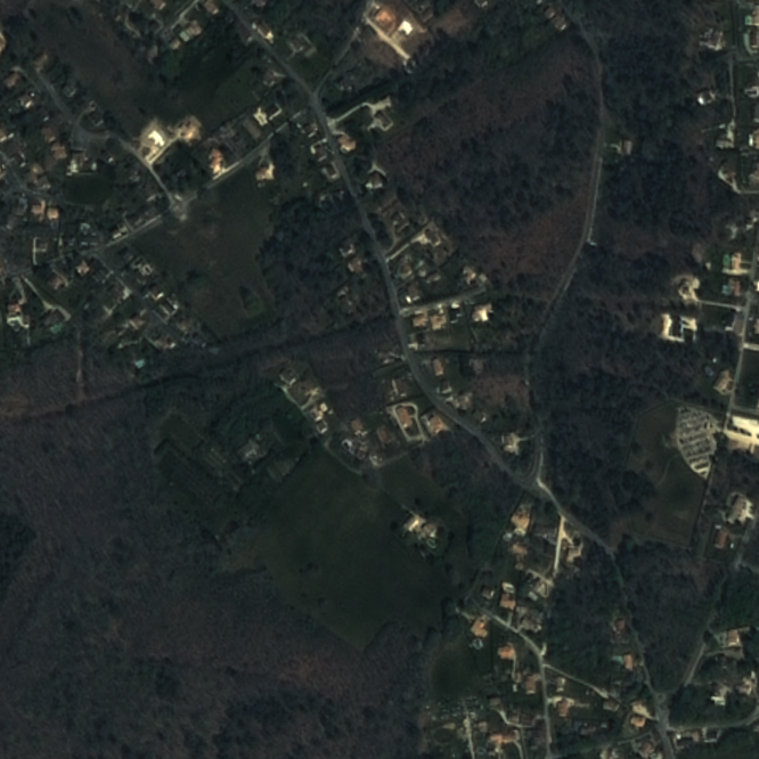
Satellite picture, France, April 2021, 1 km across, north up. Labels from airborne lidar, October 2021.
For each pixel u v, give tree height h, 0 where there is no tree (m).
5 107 7
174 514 12
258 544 0
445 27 0
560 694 0
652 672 17
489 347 14
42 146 0
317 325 7
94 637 16
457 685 0
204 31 5
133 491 19
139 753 22
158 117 0
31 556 10
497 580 16
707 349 16
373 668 11
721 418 10
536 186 11
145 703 13
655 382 10
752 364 0
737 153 7
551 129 15
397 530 13
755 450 0
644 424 0
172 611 11
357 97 9
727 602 16
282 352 15
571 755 18
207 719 22
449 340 0
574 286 14
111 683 18
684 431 0
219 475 7
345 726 15
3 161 0
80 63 0
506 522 15
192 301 10
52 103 11
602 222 10
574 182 18
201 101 0
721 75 22
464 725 0
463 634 15
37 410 11
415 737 26
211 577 15
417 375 0
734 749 13
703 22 14
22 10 12
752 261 0
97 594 16
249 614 10
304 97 0
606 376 9
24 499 13
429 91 23
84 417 15
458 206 13
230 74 0
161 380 9
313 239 19
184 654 7
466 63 25
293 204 8
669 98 31
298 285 11
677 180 8
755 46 0
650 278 17
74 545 15
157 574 18
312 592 0
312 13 16
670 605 18
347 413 9
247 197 0
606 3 32
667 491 0
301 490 0
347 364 7
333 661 8
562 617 22
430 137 8
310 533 0
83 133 0
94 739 14
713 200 8
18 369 14
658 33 17
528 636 7
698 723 13
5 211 15
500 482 15
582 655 16
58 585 15
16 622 9
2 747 14
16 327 6
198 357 15
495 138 20
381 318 6
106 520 14
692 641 16
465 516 11
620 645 15
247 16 13
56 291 9
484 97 5
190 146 0
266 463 7
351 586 0
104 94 0
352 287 14
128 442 16
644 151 19
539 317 13
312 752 13
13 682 17
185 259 0
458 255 10
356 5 11
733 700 13
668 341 6
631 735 0
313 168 9
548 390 22
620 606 13
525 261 8
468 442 15
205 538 15
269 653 7
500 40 15
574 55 11
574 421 17
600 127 25
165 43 12
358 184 7
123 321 13
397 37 0
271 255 20
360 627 0
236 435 12
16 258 9
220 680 14
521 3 10
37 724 15
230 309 0
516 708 8
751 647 24
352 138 6
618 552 0
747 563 11
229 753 26
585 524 25
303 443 13
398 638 10
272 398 15
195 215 0
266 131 6
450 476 17
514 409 18
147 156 0
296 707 23
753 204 10
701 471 0
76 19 19
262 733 15
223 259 0
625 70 18
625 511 20
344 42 7
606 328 13
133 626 14
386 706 14
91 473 15
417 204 8
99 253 0
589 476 22
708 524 13
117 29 13
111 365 16
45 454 14
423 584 0
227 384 14
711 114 17
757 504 14
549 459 11
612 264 21
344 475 0
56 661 21
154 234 0
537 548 14
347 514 0
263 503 8
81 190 0
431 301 10
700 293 10
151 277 6
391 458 0
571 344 15
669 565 15
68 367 16
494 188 23
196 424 9
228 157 15
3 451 14
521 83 6
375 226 15
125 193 6
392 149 10
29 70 13
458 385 0
